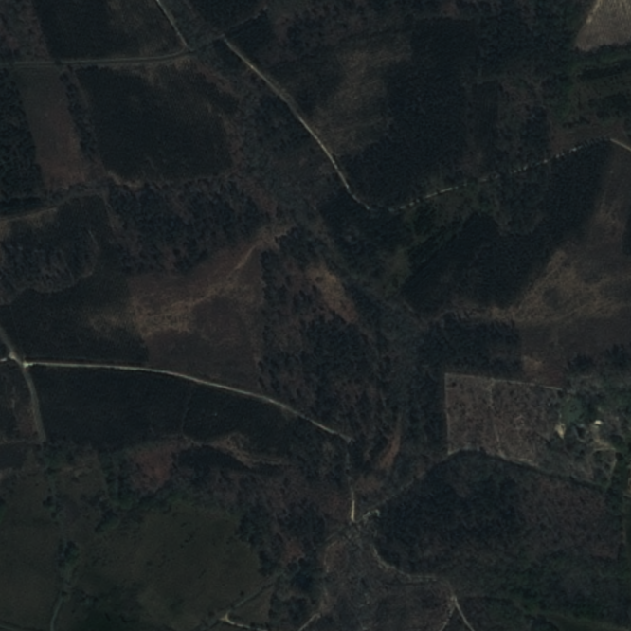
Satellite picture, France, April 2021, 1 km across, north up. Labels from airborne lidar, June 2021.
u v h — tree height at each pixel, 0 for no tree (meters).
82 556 0
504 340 16
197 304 0
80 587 0
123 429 7
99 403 7
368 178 8
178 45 15
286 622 7
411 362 15
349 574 6
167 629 0
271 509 12
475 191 17
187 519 0
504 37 21
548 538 12
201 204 19
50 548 0
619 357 16
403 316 12
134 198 23
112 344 6
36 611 0
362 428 19
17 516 0
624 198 0
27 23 7
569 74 16
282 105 15
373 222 15
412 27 8
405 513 14
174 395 8
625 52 16
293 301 8
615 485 10
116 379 8
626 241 6
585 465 12
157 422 6
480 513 21
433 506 17
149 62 0
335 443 14
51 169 0
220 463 7
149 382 8
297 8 19
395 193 15
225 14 15
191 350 0
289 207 15
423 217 6
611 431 14
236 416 7
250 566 0
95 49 8
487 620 7
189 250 17
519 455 0
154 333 0
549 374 0
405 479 22
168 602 0
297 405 17
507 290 18
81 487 0
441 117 15
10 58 15
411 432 9
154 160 7
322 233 7
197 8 16
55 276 11
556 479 15
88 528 0
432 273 11
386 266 10
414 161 15
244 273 0
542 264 16
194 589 0
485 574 17
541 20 24
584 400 18
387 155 15
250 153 17
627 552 12
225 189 18
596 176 15
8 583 0
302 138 15
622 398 19
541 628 20
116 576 0
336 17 7
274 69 5
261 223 24
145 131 8
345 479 20
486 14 20
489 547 17
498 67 22
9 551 0
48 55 6
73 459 17
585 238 13
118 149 7
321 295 14
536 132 20
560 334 0
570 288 0
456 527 17
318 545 19
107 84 7
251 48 14
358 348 26
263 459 0
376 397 9
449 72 6
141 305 0
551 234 18
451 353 20
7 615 0
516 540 9
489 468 22
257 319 0
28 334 7
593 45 0
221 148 7
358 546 14
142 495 14
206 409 6
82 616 0
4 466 0
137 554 0
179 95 6
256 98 9
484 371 15
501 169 9
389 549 8
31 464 0
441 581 15
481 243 10
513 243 15
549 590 18
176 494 17
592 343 0
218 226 19
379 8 10
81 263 18
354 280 14
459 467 15
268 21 16
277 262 21
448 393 0
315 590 19
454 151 11
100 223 6
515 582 19
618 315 0
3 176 16
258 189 15
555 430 13
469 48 7
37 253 14
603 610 15
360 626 16
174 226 16
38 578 0
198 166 7
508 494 21
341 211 12
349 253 27
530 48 25
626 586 13
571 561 16
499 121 6
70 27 8
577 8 10
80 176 0
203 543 0
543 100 8
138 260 7
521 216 25
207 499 11
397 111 14
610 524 8
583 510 7
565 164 17
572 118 0
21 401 0
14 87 13
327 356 22
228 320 0
